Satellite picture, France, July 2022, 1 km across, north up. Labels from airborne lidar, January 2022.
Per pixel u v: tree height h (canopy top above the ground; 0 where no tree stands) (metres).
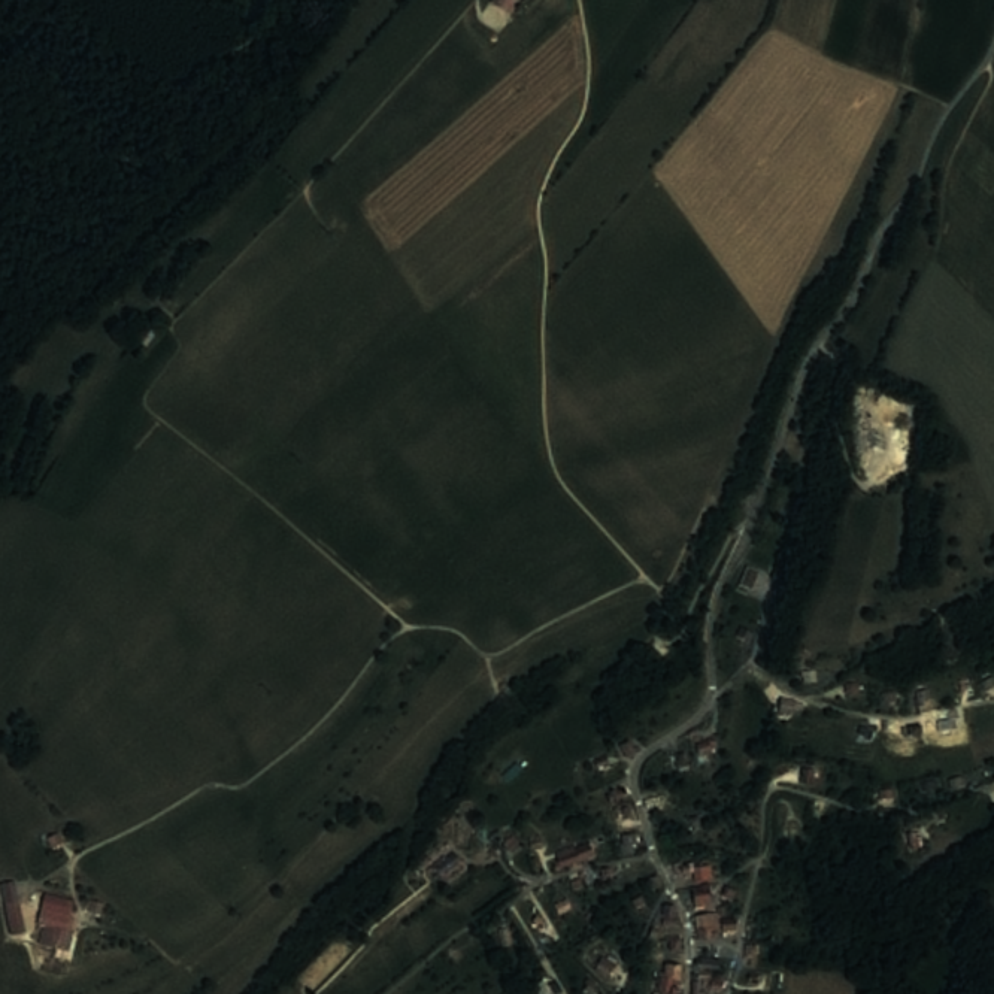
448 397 0
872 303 0
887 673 18
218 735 0
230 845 0
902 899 21
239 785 0
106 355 0
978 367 0
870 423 0
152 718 0
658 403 0
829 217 0
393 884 23
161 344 0
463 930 0
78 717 0
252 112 22
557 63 0
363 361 0
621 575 0
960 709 0
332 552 0
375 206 0
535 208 0
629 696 22
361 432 0
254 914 0
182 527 0
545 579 0
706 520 12
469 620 0
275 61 22
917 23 0
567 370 0
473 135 0
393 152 0
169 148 33
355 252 0
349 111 0
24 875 0
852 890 17
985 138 0
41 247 25
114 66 18
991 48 0
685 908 0
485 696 0
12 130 26
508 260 0
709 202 0
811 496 19
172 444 0
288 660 0
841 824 16
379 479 0
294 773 0
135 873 0
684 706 0
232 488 0
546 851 0
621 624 0
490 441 0
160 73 10
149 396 0
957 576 0
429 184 0
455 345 0
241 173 23
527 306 0
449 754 18
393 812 0
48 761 0
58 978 0
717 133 0
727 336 0
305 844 0
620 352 0
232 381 0
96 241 24
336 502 0
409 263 0
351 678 0
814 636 0
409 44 0
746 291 0
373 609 0
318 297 0
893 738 0
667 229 0
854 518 0
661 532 0
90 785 0
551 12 0
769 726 14
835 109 0
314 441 0
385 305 0
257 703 0
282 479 0
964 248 0
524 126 0
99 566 0
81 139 24
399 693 0
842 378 15
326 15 23
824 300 17
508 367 0
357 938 15
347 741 0
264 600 0
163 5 11
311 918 19
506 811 0
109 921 0
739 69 0
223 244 0
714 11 0
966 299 0
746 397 0
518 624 0
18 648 0
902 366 0
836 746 0
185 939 0
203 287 0
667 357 0
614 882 16
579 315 0
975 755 0
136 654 0
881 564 0
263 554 0
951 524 0
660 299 0
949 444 13
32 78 28
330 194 0
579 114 0
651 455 0
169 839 0
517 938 7
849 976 17
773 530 0
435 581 0
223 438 0
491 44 0
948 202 0
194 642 0
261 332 0
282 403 0
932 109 0
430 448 0
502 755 0
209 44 12
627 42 0
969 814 0
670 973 0
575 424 0
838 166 0
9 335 23
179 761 0
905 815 20
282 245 0
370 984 0
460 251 0
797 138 0
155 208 23
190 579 0
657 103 0
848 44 0
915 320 0
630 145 0
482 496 0
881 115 0
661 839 9
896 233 17
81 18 9
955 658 17
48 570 0
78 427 0
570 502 0
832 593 0
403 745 0
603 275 0
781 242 0
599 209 0
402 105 0
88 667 0
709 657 0
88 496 0
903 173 0
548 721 0
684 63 0
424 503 0
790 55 0
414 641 0
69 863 0
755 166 0
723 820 9
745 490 11
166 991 0
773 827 0
